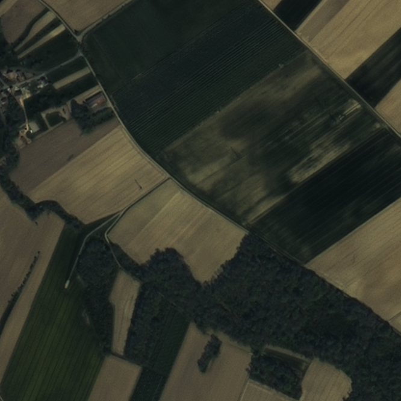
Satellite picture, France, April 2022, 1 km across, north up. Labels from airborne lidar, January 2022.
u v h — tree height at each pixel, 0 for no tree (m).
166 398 0
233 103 0
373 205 0
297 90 0
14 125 29
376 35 0
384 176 0
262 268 38
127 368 0
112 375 0
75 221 19
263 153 0
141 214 0
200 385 0
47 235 0
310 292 37
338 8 0
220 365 0
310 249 0
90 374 0
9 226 0
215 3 0
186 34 0
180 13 0
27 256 0
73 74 0
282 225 0
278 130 0
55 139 0
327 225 0
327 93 0
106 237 0
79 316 0
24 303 0
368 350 22
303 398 0
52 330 0
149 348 26
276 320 37
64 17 0
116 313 0
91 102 0
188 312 25
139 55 0
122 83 0
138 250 0
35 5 0
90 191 0
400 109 0
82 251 0
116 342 0
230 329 27
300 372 0
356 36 0
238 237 0
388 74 0
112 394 0
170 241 0
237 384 0
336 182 0
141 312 27
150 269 29
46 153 0
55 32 0
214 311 36
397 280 0
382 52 0
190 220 0
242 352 0
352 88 0
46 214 0
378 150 0
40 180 0
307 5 0
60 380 0
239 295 24
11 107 16
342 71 0
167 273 38
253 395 0
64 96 12
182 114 0
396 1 0
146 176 0
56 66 0
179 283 40
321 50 0
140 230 0
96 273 21
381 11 0
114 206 0
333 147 0
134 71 0
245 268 32
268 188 0
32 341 0
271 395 0
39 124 0
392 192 0
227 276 21
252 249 30
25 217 0
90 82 0
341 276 0
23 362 0
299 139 0
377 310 0
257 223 0
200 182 0
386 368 32
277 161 0
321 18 0
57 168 0
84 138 0
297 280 36
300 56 0
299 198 0
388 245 0
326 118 0
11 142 13
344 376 0
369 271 0
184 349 0
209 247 0
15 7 0
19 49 0
